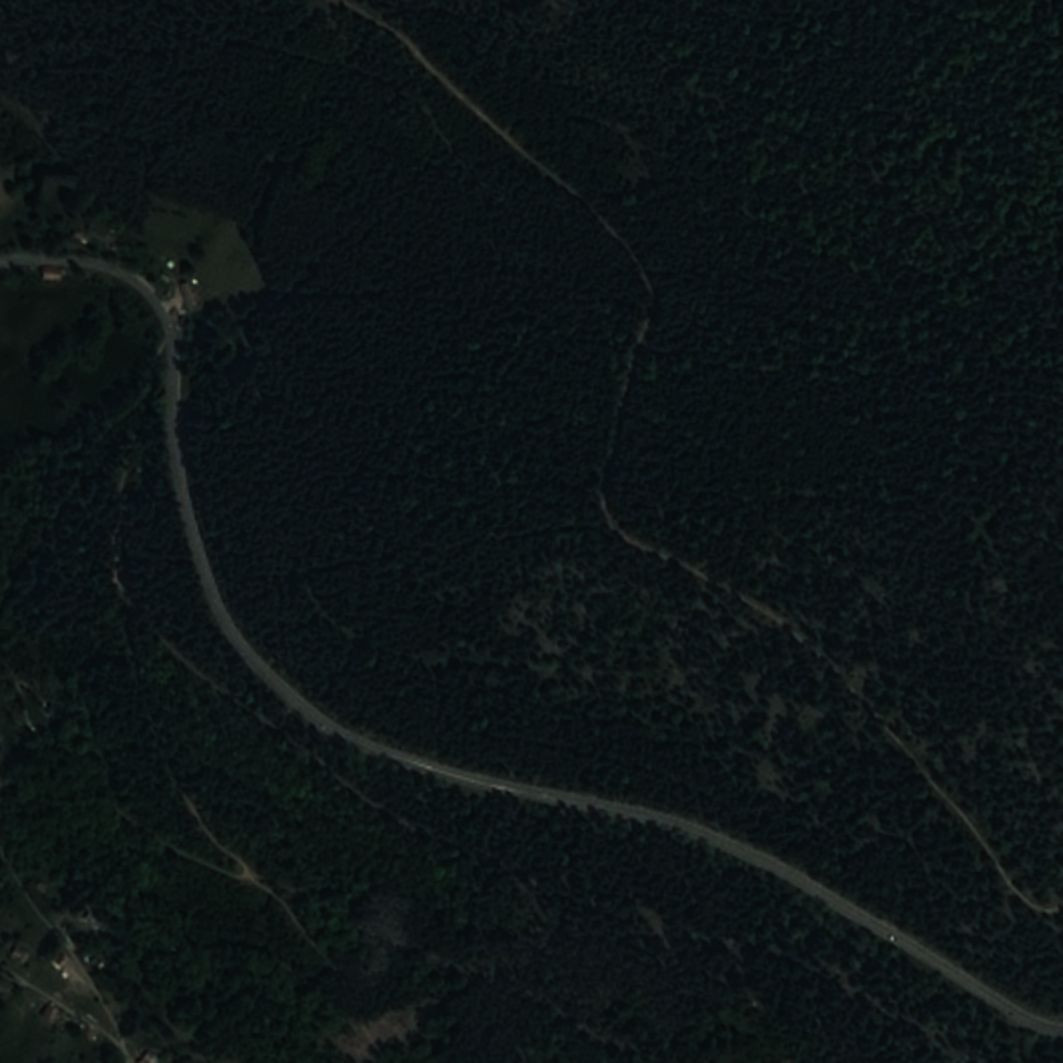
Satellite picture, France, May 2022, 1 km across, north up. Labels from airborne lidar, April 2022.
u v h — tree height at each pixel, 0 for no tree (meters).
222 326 23
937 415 12
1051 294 8
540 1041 21
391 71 20
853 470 13
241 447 28
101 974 15
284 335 28
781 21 8
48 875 9
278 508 27
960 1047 27
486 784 0
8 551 19
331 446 24
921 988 9
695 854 22
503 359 22
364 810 16
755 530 19
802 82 11
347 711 22
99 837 23
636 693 13
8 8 33
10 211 0
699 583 11
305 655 24
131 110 29
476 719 21
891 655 8
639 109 9
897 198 17
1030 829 7
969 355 8
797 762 17
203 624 27
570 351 16
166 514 28
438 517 15
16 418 0
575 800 0
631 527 13
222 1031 26
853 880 21
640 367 11
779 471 14
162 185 30
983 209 23
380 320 27
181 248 0
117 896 20
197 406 10
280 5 12
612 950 27
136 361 0
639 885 30
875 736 17
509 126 11
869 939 17
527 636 15
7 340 0
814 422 14
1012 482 18
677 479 19
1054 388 17
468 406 19
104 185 30
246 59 26
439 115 13
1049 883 13
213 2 28
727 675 15
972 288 15
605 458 13
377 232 29
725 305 21
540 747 23
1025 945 21
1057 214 22
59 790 21
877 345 14
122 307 14
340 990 20
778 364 17
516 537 9
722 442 18
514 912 13
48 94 26
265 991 15
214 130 23
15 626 9
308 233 27
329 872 9
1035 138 19
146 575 24
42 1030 0
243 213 27
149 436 29
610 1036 28
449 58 10
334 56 12
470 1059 24
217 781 22
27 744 22
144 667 18
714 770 21
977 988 0
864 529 27
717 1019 18
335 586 19
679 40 13
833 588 19
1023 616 16
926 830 16
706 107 19
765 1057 8
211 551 10
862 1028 24
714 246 18
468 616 13
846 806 27
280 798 17
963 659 14
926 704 18
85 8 33
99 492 28
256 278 0
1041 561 21
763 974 30
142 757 21
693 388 21
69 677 19
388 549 17
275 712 28
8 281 17
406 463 23
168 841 9
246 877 0
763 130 20
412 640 24
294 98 13
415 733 22
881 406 18
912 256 13
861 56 17
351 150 34
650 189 21
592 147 17
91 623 21
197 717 16
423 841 22
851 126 15
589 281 24
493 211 24
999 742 6
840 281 20
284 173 24
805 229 16
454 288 30
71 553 24
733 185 17
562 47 8
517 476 20
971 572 17
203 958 21
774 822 22
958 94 16
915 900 19
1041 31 18
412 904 22
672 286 22
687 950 29
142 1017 17
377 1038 0
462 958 23
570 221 27
